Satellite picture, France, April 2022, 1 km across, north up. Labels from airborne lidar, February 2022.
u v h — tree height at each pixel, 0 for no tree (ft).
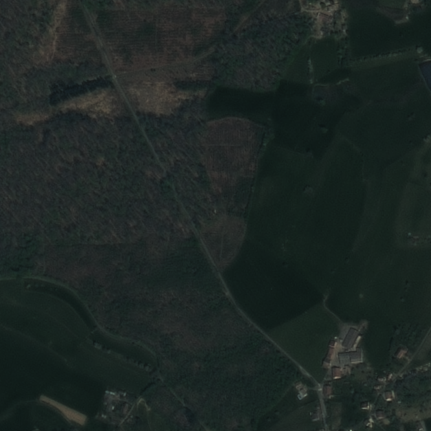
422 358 0
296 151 0
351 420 28
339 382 42
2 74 98
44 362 0
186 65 0
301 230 0
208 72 0
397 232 0
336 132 0
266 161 0
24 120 0
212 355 66
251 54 109
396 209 0
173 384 51
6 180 82
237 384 52
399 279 0
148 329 39
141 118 82
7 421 0
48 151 78
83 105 0
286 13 0
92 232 101
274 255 0
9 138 82
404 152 0
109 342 0
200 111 96
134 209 105
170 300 45
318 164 0
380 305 0
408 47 0
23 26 102
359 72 0
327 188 0
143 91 0
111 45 0
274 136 40
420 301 0
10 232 99
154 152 0
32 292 0
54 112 0
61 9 0
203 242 0
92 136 99
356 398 62
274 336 0
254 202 0
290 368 51
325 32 45
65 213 114
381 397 22
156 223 103
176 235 93
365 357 0
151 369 33
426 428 0
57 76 96
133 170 109
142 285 43
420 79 0
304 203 0
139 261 34
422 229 0
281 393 47
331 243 0
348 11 0
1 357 0
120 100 0
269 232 0
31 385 0
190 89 37
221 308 48
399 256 0
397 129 0
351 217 0
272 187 0
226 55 102
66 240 98
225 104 0
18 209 97
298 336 0
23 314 0
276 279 0
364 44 0
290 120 0
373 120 0
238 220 0
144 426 0
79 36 19
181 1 96
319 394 0
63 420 0
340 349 0
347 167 0
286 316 0
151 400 58
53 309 0
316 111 0
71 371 0
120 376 0
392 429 0
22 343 0
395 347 0
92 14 0
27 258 85
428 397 40
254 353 56
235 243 0
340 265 0
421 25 0
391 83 0
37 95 75
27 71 33
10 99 81
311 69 25
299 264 0
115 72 0
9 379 0
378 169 0
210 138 0
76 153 106
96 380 0
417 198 0
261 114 0
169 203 107
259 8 0
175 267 41
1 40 92
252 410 66
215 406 58
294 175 0
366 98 0
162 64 0
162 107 0
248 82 105
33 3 78
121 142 79
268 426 0
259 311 0
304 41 93
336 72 0
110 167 82
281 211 0
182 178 97
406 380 48
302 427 0
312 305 0
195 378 49
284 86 0
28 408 0
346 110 0
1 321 0
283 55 106
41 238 100
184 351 53
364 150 0
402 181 0
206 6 69
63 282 39
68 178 97
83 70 87
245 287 0
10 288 0
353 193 0
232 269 0
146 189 98
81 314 0
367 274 0
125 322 59
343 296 0
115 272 41
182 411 72
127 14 0
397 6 0
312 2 80
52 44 0
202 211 103
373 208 0
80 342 0
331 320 0
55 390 0
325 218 0
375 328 0
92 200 86
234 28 40
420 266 0
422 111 0
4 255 80
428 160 0
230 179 19
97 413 0
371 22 0
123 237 94
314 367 0
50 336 0
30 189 84
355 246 0
